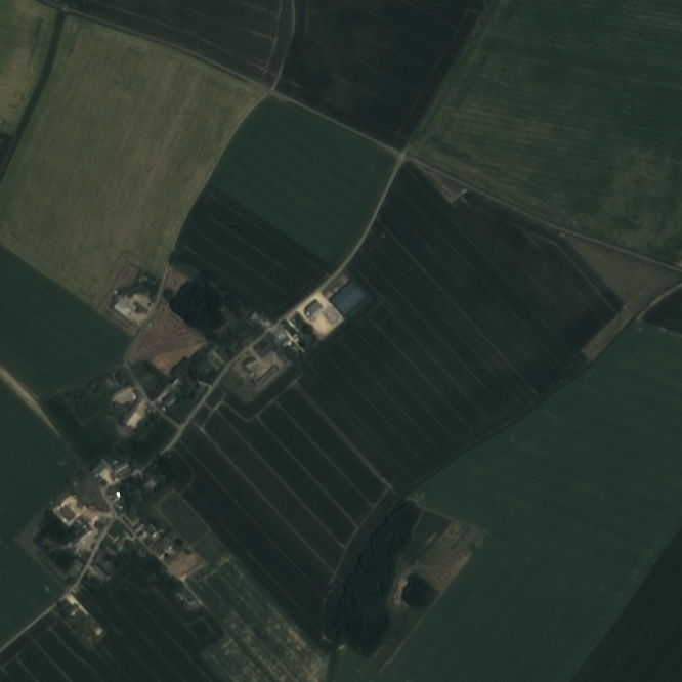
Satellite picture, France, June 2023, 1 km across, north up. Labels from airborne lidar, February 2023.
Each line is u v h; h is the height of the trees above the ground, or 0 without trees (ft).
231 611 0
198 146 0
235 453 0
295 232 0
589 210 0
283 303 0
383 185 0
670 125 0
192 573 0
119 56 0
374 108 0
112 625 0
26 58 0
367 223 0
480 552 0
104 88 0
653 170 0
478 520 0
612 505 0
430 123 0
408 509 46
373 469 0
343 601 45
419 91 0
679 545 0
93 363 0
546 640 0
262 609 0
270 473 0
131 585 0
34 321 0
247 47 0
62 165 0
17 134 0
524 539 0
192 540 0
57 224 0
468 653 0
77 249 0
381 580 44
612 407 0
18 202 0
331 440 0
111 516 0
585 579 0
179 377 50
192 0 0
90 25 0
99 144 0
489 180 0
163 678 0
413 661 0
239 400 0
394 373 0
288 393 0
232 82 0
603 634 0
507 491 0
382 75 0
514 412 0
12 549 0
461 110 0
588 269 0
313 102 0
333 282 0
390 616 40
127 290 0
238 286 0
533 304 0
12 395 0
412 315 0
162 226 0
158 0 0
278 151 0
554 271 0
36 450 0
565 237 0
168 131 0
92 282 0
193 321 65
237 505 0
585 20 0
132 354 0
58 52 0
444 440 0
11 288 0
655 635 0
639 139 0
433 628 0
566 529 0
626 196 0
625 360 0
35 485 0
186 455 0
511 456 0
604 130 0
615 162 0
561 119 0
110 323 0
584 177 0
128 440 0
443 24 0
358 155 0
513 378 0
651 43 0
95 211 0
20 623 0
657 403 0
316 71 0
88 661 0
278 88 0
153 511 0
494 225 0
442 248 0
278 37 0
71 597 0
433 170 0
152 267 0
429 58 0
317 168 0
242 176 0
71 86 0
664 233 0
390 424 0
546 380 0
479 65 0
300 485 0
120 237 0
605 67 0
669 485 0
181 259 22
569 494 0
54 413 0
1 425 0
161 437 0
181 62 0
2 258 0
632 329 0
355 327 0
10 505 0
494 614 0
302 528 0
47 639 0
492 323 0
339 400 0
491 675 0
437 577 0
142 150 0
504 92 0
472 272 0
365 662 0
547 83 0
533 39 0
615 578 0
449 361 0
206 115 0
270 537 0
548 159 0
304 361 0
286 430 0
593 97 0
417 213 0
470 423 0
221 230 0
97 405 0
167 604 0
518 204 0
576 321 0
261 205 0
